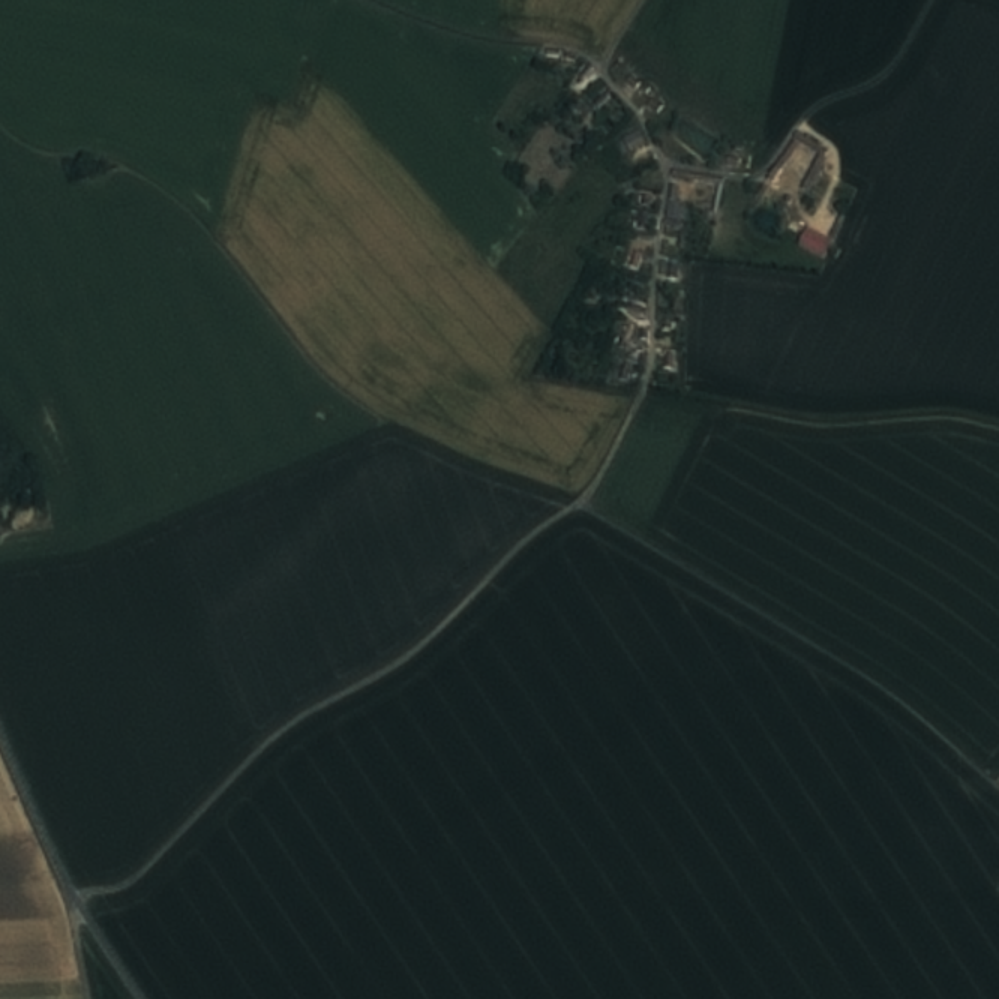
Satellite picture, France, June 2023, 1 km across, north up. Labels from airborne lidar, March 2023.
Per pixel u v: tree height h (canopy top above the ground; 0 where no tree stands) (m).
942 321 0
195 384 0
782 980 0
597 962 0
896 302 0
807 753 0
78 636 0
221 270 0
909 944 0
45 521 0
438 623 0
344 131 0
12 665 0
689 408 0
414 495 0
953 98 0
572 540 0
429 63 0
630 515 0
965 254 0
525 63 0
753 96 0
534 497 0
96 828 0
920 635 0
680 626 0
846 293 0
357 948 0
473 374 0
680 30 0
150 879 0
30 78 0
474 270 0
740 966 0
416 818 0
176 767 0
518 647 0
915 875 0
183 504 0
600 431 0
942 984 0
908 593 0
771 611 0
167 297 0
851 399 0
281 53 0
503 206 0
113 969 0
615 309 10
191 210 0
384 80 0
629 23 0
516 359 0
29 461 14
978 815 0
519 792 0
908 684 0
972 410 0
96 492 0
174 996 0
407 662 0
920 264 0
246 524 0
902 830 0
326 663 0
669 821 0
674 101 0
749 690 0
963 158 0
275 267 0
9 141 0
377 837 0
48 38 0
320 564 0
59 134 0
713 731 0
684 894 0
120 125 0
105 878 0
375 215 0
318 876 0
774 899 0
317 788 0
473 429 0
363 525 0
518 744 0
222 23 0
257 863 0
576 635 0
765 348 0
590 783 0
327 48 0
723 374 0
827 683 0
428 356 0
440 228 0
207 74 0
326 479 0
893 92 0
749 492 0
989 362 0
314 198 0
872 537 0
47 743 0
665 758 0
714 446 0
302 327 0
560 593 0
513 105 0
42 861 0
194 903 0
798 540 0
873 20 0
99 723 0
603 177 0
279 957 0
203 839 0
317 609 0
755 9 0
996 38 0
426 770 0
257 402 0
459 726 0
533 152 0
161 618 0
